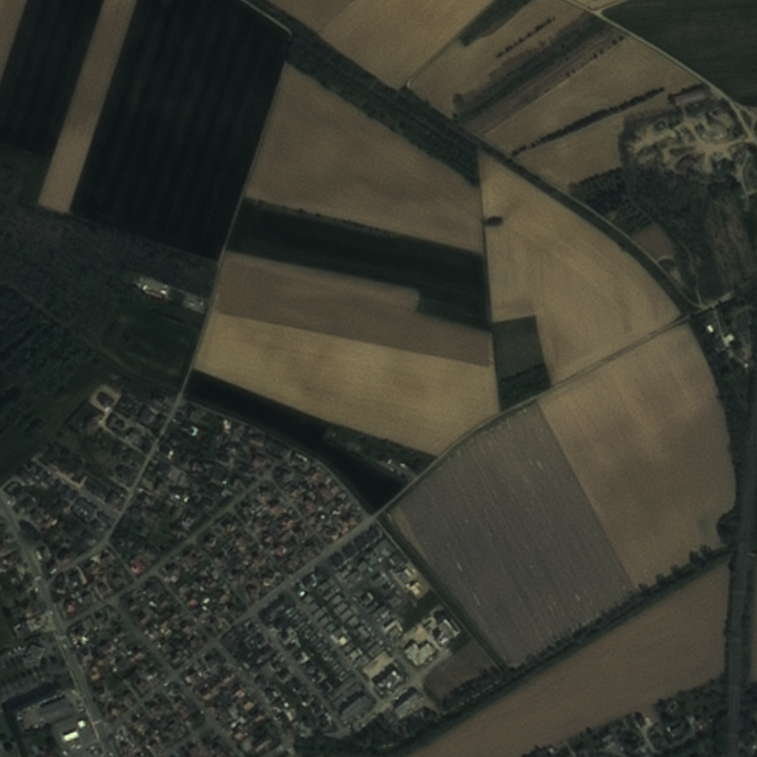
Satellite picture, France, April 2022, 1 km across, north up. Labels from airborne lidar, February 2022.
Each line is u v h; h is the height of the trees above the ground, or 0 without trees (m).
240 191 0
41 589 0
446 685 0
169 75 0
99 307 18
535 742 0
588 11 0
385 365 0
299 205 0
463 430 0
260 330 0
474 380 0
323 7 0
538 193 0
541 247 0
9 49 0
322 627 0
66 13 0
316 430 0
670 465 0
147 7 0
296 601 0
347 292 0
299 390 0
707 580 0
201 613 0
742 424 11
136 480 0
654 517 0
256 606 0
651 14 0
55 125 0
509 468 0
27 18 0
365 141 0
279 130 0
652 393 0
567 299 0
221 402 0
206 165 0
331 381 0
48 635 0
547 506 0
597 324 0
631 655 0
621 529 0
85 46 0
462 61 0
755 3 0
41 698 15
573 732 0
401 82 0
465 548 0
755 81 0
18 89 0
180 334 0
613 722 0
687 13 0
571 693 0
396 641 0
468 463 0
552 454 0
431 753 0
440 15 0
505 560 0
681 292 0
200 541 0
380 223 0
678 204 18
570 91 0
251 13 0
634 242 0
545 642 0
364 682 0
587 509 0
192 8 0
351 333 0
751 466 0
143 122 0
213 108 0
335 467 0
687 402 0
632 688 0
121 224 0
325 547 0
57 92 0
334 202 0
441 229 0
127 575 0
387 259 0
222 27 0
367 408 0
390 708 0
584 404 0
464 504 0
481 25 0
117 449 6
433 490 0
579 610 0
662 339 0
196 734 0
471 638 0
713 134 0
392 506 0
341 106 0
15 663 9
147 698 0
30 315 11
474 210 0
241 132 0
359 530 0
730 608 0
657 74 0
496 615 0
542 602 0
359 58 0
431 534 0
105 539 0
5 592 0
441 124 6
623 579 0
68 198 0
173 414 0
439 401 0
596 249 0
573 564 0
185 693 0
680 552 0
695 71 0
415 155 0
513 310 0
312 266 0
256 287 0
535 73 0
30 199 0
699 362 0
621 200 7
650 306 0
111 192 0
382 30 0
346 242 0
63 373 16
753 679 0
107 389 0
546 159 0
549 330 0
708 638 0
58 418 0
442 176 0
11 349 7
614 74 0
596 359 0
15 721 14
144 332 0
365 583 0
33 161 0
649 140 0
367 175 0
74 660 0
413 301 0
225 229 0
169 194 0
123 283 16
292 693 0
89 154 0
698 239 15
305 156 0
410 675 0
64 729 0
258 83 0
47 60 0
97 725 0
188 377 0
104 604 0
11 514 0
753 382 6
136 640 0
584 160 0
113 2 0
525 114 0
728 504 0
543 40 0
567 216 0
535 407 0
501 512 0
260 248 0
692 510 0
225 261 0
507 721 0
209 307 0
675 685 0
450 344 0
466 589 0
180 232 0
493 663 0
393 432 0
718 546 0
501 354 0
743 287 13
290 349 0
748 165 0
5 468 0
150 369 0
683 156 0
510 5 0
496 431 0
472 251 0
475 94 0
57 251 16
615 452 0
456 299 0
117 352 0
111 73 0
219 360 0
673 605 0
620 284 0
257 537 0
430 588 0
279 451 0
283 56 0
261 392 0
